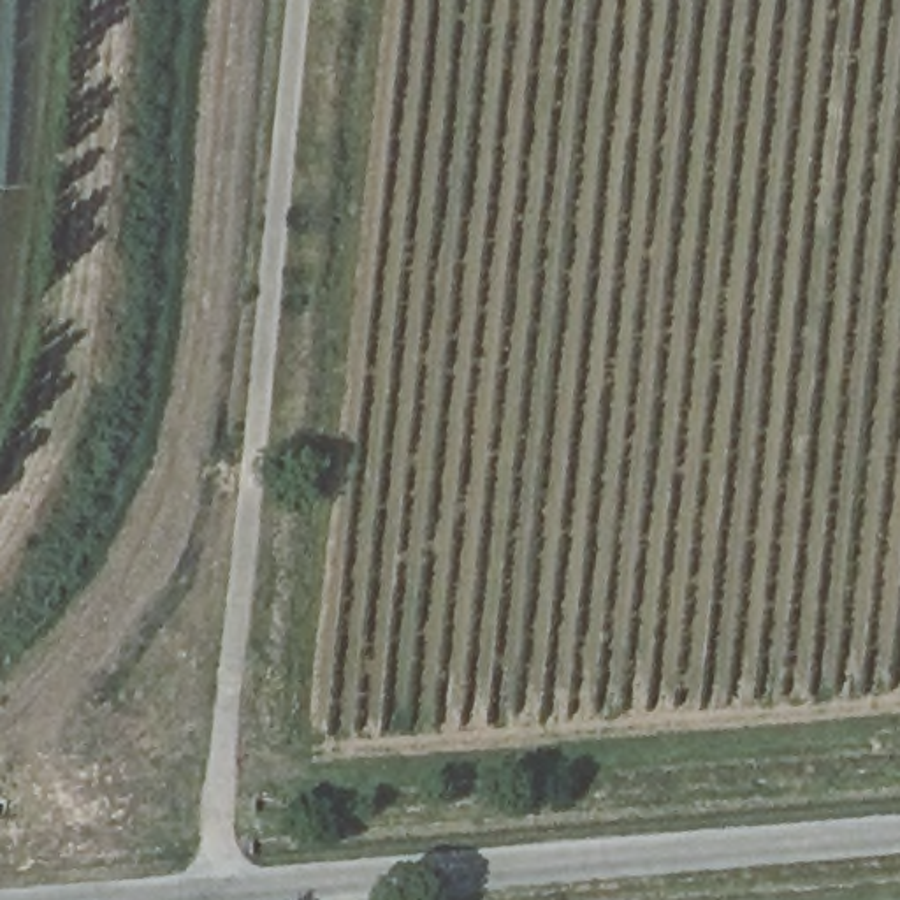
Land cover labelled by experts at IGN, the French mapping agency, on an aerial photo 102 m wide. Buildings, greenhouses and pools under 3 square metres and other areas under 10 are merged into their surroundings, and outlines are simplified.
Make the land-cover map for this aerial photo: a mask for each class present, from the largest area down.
<instances>
[{"label":"vineyard","instance_id":"1","mask_svg":"<svg viewBox=\"0 0 900 900\"><path fill-rule=\"evenodd\" d=\"M341 436H320L302 429L292 439L295 450L313 454L316 489L323 499L316 506L292 503V510H281L264 496L246 671L239 689L232 809L236 844L243 858L257 865L264 858V840L257 837L264 830L260 816L267 812V805L285 809L274 795H267L264 780H302L316 763L330 759L454 752V759L443 770V784L457 802L475 791L478 780L475 763L464 752L527 749L520 756V770L531 777V805L538 812L517 819L520 826H545L636 816V805L612 809L608 788H594L598 763L591 756H577V749L570 745L580 738H629L657 731L809 724L900 714V0H383L369 165L359 221L355 302L348 323L345 397L338 415ZM316 798L330 802L338 837L366 830L355 816V791L316 784Z\"/></svg>","mask_w":900,"mask_h":900},{"label":"herbaceous vegetation","instance_id":"2","mask_svg":"<svg viewBox=\"0 0 900 900\"><path fill-rule=\"evenodd\" d=\"M49 11L60 14L53 0H0V373L21 236L39 214L35 102L42 35L49 25ZM130 0H81V35L70 60V77L84 81L88 91L70 105V148H63L70 165L60 176V229L53 243V274H60V285L42 299L46 313L60 323L49 334H42V355L35 362L25 408L0 457V496L21 482L25 461L49 439L70 450L84 422L91 387L113 383V373L120 366V341L113 334L123 323L120 309H127V278L116 257L123 207L120 176L134 162V151L120 141V130L137 95V88L127 81L130 28L123 21ZM288 0H257L253 91L239 183L243 218L232 264L214 429L211 446L197 461V517L190 524V538L169 577V587L144 608L137 633L123 640L116 671L134 686V703L144 717H127L116 714L113 703H98L95 686L81 693L74 710L63 717L60 752L81 756L84 763H98V780H84L81 795H70L63 780L53 784V798L67 812L63 830L21 833L18 840L0 837V889L172 875L183 872L200 851V795L207 780L218 700V661L232 570V524L239 499V457L246 436L260 295L264 204ZM383 0H313L281 306L288 313H313V376L302 429L320 436H341L338 415L345 397L348 323L355 302L359 221L369 165ZM570 745L577 749V756H591L598 763L594 788H608L612 809L636 805V816L545 826H520L517 819L513 826L499 830L450 833L446 844L425 854V861L439 875L446 900H900V854L485 889L489 861L482 858V851L584 837L900 816V714L809 724L657 731L629 738H580Z\"/></svg>","mask_w":900,"mask_h":900},{"label":"deciduous trees","instance_id":"3","mask_svg":"<svg viewBox=\"0 0 900 900\"><path fill-rule=\"evenodd\" d=\"M60 14L49 11V25L42 35L35 102L39 214L21 236L0 373V457L25 408L35 362L42 355V334H49L60 323L46 313L42 299L60 285V274H53V243L60 229V176L70 165L63 148H70V105L88 91L84 81L70 77V60L81 35V0H53ZM211 0H130L123 21L130 28L127 81L137 88V95L120 130V141L134 151V162L120 176L123 207L116 257L127 278V309H120L123 323L113 334L120 341V366L113 373V383L91 387L84 422L70 450L60 464L56 482L39 503L35 531L21 545L14 580L0 587V682H7L21 668L25 654L56 629L70 601L84 594L95 573L105 566V555L127 524V513L158 450L183 327L200 60L207 46L204 21ZM313 376V313H288L281 306L271 436L260 461L264 496L281 510H292V503L316 506L323 499L316 489L313 454L295 450L292 439L302 429ZM98 703H113L116 714L127 717H144L134 703V686L116 671H105L95 686ZM527 749L464 752L475 763L478 780L475 791L457 802L443 784V770L454 759V752L330 759L316 763L302 780H264L267 795H274L285 809L267 805V812L260 816L264 830L257 837L264 840V858L257 865H306L387 854L394 868L380 875L369 900H446L439 875L425 861V854L446 844L450 833L499 830L513 826L517 819L538 812L531 805V777L520 770V756ZM316 784L355 791V816L366 830L338 837L330 802L316 798Z\"/></svg>","mask_w":900,"mask_h":900},{"label":"pervious surface","instance_id":"4","mask_svg":"<svg viewBox=\"0 0 900 900\"><path fill-rule=\"evenodd\" d=\"M207 46L200 60L183 327L158 450L127 513V524L105 555V566L95 573L84 594L70 601L56 629L25 654L21 668L7 682H0V837L18 840L21 833L63 830L67 812L53 798V784L63 780L70 795H81L84 780H98V763H84L81 756L60 752L63 717L74 710L81 693L95 686L105 671H116L123 640L137 633L144 608L169 587V577L190 538V524L197 517V461L211 446L214 429L232 264L243 218L239 183L253 91L257 0H211L204 21ZM70 450L49 439L25 461L21 482L0 496V587L14 580L21 545L35 531L39 503L56 482L60 464Z\"/></svg>","mask_w":900,"mask_h":900},{"label":"impervious surface","instance_id":"5","mask_svg":"<svg viewBox=\"0 0 900 900\"><path fill-rule=\"evenodd\" d=\"M313 0H288L264 204L260 295L246 436L239 457V499L232 524V570L218 661V700L207 780L200 795V851L183 872L172 875L0 889V900H369L380 875L394 868L387 854L306 865H257L243 858L236 844L232 809L239 689L246 671L264 496L260 461L271 436L281 306ZM900 854V816L584 837L482 851V858L489 861L485 889Z\"/></svg>","mask_w":900,"mask_h":900}]
</instances>
